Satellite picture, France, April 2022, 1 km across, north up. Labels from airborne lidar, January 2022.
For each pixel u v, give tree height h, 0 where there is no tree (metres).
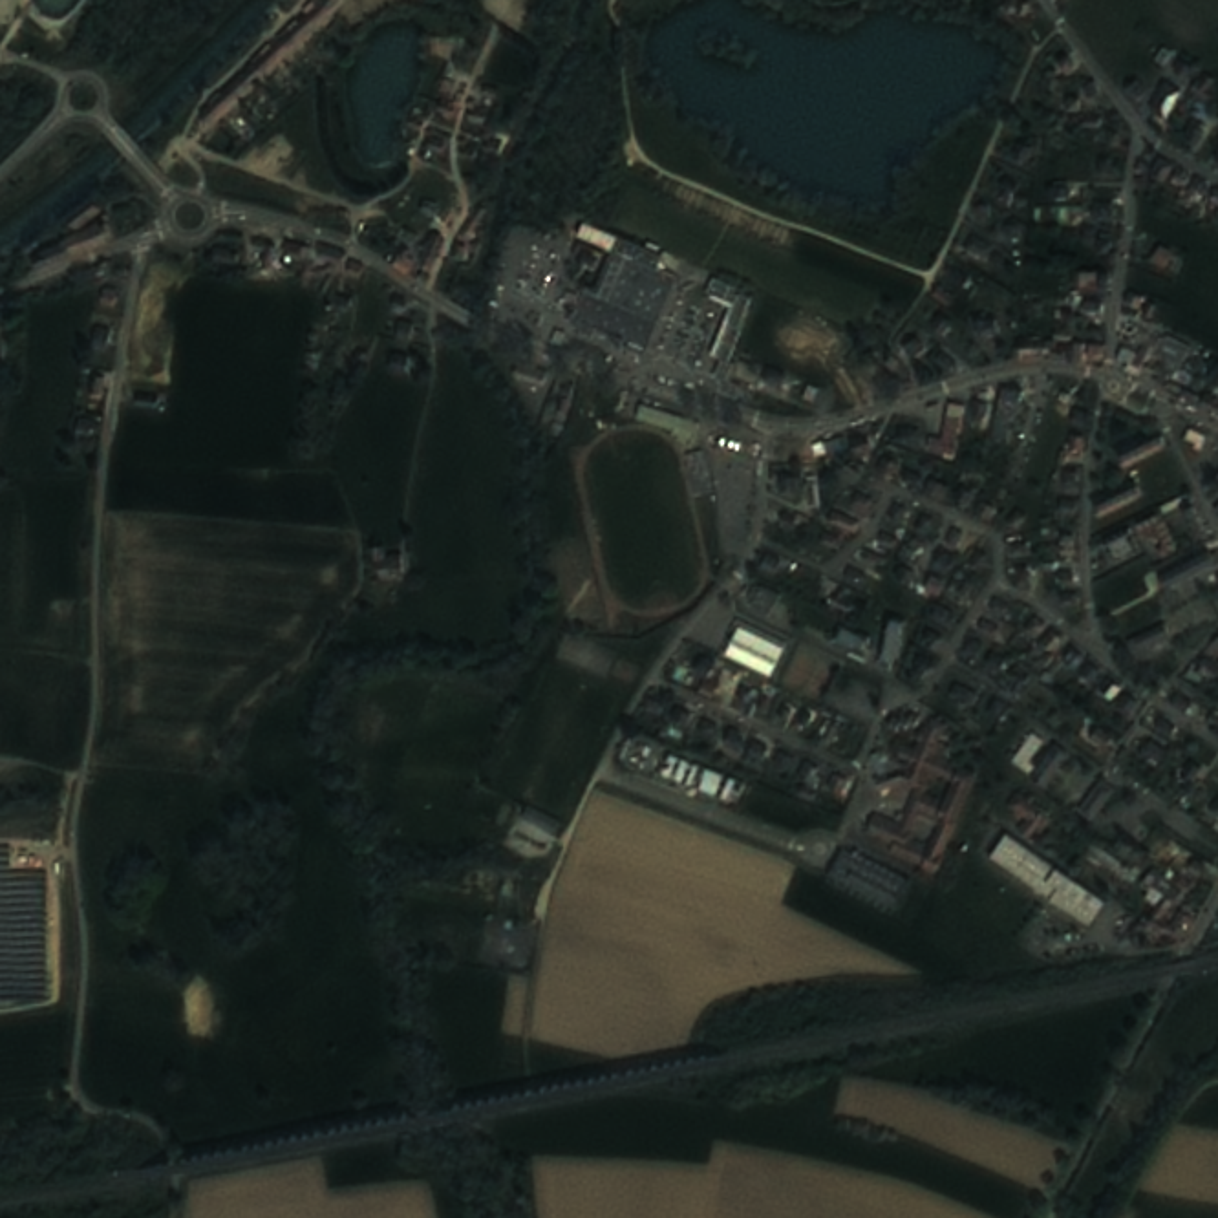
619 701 0
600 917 0
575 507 0
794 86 0
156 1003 0
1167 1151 0
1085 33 0
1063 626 0
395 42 0
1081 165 0
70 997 0
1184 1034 0
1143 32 12
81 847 0
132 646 0
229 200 0
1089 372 0
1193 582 0
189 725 0
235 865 32
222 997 0
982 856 0
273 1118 0
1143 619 0
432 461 0
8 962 0
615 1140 0
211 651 0
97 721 0
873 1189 0
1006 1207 0
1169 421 0
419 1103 23
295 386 0
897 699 0
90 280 14
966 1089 13
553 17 14
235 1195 0
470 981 0
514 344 23
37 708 0
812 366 0
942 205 0
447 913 0
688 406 17
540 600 22
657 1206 0
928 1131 0
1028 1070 0
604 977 0
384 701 0
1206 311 0
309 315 0
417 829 0
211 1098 0
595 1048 0
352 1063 0
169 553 0
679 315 0
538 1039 0
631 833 0
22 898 0
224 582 0
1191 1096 18
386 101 0
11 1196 0
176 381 0
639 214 0
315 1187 0
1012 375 0
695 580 0
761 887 0
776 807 0
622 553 0
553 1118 0
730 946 0
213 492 0
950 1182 0
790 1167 0
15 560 0
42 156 0
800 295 0
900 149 0
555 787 0
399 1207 0
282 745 0
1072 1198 11
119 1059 0
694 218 0
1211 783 0
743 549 0
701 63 0
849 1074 9
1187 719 0
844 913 0
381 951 15
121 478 0
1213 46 0
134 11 27
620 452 0
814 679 0
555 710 0
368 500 0
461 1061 0
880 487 0
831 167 0
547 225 12
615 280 0
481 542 0
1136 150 0
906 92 0
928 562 0
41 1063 0
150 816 0
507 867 15
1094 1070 0
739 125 0
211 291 0
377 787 0
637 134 0
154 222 0
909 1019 0
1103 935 0
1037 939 0
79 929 0
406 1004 21
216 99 0
